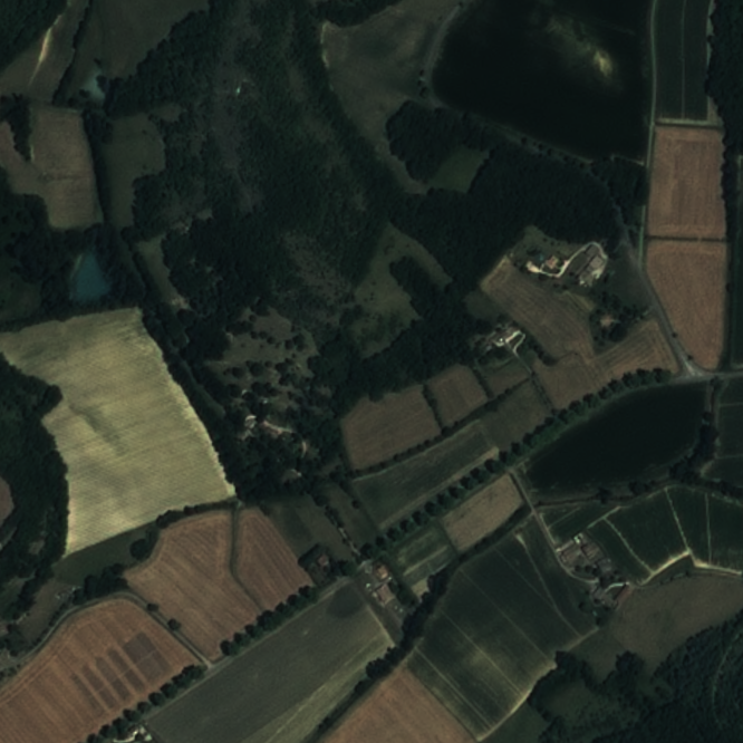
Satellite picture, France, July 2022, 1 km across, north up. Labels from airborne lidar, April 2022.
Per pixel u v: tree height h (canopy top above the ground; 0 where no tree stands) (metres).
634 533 0
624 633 0
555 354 0
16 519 14
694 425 0
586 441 0
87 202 0
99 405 0
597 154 0
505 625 0
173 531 0
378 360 18
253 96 0
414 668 0
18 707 0
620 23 0
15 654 12
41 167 0
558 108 0
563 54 0
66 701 0
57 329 0
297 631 0
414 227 17
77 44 11
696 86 0
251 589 0
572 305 0
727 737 9
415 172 16
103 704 0
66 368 0
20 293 0
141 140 0
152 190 13
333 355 9
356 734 0
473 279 17
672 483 0
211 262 13
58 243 17
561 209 17
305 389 8
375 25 0
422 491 0
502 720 0
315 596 24
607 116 0
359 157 15
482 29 0
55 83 0
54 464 16
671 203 0
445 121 23
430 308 8
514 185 19
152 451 0
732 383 0
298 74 0
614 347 0
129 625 0
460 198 13
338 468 7
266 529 0
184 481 0
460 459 0
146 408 0
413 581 0
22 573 13
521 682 0
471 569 0
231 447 16
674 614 0
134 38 0
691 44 0
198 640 0
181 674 0
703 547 0
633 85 0
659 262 0
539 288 0
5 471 10
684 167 0
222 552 0
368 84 0
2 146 0
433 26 0
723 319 0
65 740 0
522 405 0
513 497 0
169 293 0
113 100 23
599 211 20
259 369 15
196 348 16
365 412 0
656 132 0
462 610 0
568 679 11
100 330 0
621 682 10
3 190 18
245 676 0
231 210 11
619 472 0
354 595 0
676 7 0
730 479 0
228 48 0
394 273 11
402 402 0
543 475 0
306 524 0
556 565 0
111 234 30
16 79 0
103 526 0
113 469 0
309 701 0
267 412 15
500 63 0
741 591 0
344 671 0
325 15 14
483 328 18
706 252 0
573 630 0
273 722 0
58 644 0
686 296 0
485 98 0
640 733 16
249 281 13
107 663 0
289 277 10
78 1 0
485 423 0
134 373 0
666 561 0
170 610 0
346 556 0
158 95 9
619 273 0
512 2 0
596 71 0
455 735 0
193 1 0
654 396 0
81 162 0
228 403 13
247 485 19
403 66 0
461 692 0
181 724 0
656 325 0
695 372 0
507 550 0
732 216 12
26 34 17
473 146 13
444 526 0
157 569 0
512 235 12
